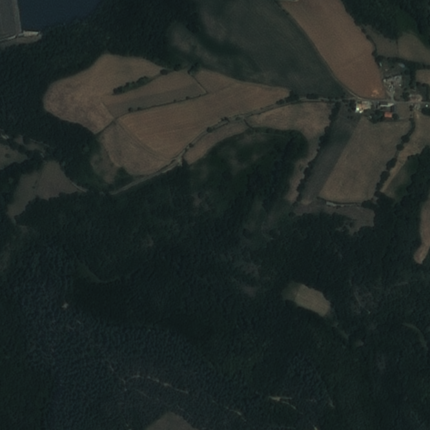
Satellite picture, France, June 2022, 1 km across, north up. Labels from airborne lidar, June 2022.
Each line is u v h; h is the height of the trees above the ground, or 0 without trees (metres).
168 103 0
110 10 15
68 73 9
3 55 11
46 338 27
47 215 12
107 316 14
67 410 35
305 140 0
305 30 0
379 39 0
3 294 14
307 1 0
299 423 16
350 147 0
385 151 0
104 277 15
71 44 16
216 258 10
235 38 0
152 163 0
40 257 19
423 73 0
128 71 0
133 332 36
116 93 10
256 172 6
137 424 11
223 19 0
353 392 12
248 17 0
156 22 14
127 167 0
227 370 21
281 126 0
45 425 10
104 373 26
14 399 13
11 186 7
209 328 15
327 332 13
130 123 0
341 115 0
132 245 12
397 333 17
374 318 12
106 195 10
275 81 0
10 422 26
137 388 17
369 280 15
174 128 0
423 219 0
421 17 22
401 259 13
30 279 11
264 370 20
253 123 0
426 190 7
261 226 0
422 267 11
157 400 20
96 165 0
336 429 13
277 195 13
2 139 7
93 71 0
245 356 24
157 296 8
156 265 10
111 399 16
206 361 17
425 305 15
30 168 23
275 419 10
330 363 14
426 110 14
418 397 12
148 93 0
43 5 0
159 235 8
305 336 9
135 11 19
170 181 13
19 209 0
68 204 9
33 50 18
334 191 0
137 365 23
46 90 8
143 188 8
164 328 14
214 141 0
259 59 0
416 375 19
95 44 15
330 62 0
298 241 15
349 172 0
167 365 31
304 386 20
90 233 10
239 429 20
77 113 0
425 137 0
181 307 7
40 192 0
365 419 11
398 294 8
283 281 21
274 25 0
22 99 13
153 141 0
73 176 12
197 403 22
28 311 26
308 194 0
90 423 35
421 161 13
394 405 6
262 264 9
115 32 19
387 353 7
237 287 11
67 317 32
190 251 17
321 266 22
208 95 0
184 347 28
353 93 0
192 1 11
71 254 18
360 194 0
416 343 13
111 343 35
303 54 0
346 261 13
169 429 0
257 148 0
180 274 26
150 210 8
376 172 0
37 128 16
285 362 18
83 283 16
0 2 0
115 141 0
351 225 13
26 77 14
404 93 6
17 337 25
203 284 28
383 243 18
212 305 15
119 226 12
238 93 0
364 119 0
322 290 22
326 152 0
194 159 0
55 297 18
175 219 10
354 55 0
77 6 0
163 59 19
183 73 0
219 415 24
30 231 7
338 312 20
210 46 0
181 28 0
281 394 15
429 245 0
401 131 0
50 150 13
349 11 14
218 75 0
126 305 15
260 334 17
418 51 0
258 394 15
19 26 0
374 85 0
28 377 24
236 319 29
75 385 33
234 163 0
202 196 13
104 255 9
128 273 19
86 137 17
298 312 23
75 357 24
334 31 0
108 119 0
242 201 16
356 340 19
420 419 9
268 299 20
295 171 0
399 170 0
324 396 27
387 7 16
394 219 8
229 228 14
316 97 15
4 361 21
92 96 0
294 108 0
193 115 0
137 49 17
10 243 7
